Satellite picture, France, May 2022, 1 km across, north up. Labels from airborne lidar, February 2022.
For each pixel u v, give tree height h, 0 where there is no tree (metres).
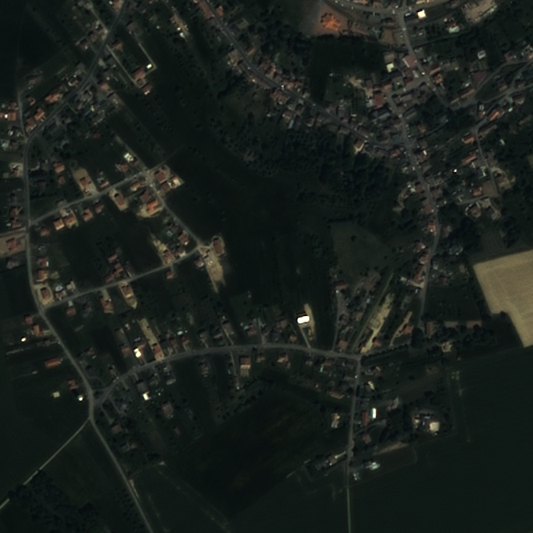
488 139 0
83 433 0
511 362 0
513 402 0
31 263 0
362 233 0
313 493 0
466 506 0
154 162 0
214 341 9
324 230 0
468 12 0
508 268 0
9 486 0
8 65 0
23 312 0
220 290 0
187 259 0
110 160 0
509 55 0
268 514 0
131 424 16
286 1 0
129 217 0
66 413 0
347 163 24
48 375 0
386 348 0
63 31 0
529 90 0
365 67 0
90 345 0
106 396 0
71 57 0
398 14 0
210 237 0
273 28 14
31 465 0
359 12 0
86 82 0
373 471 0
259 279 0
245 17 0
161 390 0
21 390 0
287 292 0
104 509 0
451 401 0
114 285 0
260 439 0
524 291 0
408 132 0
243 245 0
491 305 0
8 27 0
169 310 0
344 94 0
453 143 0
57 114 0
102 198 0
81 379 0
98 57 0
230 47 6
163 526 0
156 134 0
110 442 8
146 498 0
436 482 0
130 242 0
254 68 0
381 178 23
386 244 0
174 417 0
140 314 0
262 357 0
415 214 8
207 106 0
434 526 0
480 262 0
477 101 0
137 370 0
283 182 0
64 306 0
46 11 0
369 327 0
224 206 0
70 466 0
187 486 0
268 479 0
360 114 0
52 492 18
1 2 0
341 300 0
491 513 0
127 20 0
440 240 0
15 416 0
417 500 0
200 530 0
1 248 0
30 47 0
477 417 0
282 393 0
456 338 15
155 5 0
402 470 0
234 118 0
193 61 6
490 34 0
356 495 0
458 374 0
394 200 0
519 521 0
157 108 0
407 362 0
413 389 0
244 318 0
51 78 0
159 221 0
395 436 11
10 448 0
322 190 0
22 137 0
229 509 0
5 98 0
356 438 0
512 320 0
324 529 0
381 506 0
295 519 0
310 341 0
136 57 0
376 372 0
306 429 0
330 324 0
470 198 0
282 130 0
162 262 0
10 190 0
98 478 0
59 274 0
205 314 0
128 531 0
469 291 0
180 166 0
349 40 14
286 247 0
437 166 0
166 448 0
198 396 0
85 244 0
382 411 0
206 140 0
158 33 0
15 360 0
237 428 0
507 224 9
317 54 0
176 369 0
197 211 0
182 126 0
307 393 0
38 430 0
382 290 0
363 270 0
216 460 0
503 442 0
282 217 0
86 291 0
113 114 0
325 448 0
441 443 0
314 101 0
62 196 0
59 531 11
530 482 0
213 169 0
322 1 0
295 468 0
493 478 0
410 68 0
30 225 0
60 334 0
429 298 0
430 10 0
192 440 0
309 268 0
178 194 0
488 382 0
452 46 0
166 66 0
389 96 0
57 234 0
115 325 0
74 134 10
